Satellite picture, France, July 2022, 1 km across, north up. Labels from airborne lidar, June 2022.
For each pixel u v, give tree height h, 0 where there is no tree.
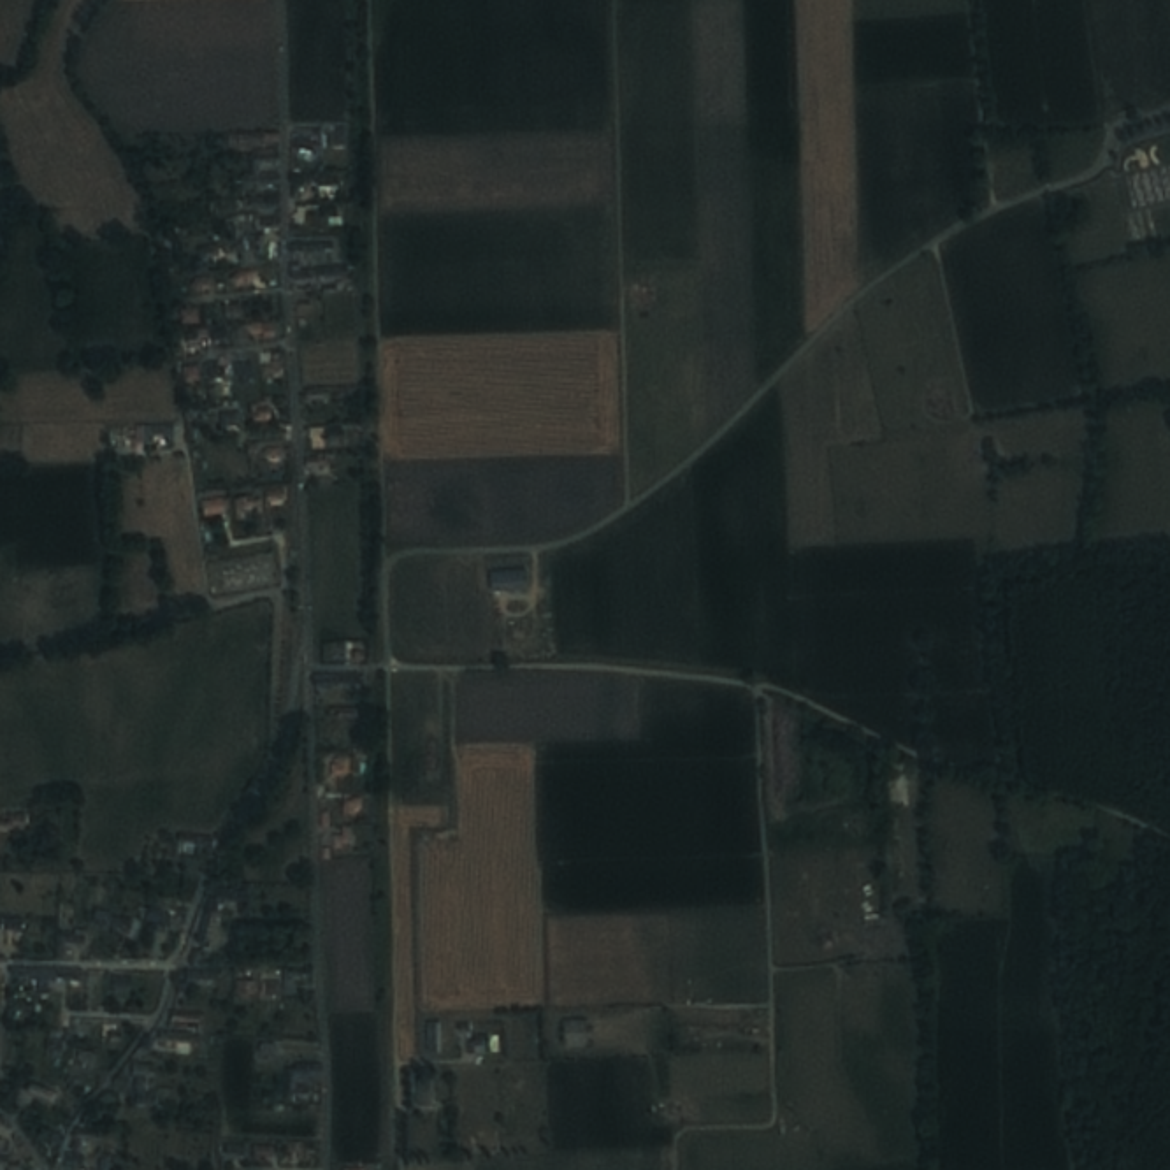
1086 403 13
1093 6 0
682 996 0
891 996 0
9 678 0
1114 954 18
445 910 0
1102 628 12
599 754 0
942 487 0
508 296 0
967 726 0
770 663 0
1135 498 0
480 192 0
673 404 0
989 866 0
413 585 0
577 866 0
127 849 0
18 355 0
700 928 0
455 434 0
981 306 0
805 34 0
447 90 0
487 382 0
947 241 0
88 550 0
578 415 0
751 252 0
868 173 0
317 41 0
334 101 0
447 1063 0
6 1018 10
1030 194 0
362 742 19
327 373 0
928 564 0
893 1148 0
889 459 0
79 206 0
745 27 0
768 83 0
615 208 0
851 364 0
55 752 0
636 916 0
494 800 0
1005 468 18
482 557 0
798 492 0
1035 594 17
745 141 0
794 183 0
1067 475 0
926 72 0
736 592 0
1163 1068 15
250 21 0
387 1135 0
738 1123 0
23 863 11
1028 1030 0
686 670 0
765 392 0
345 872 0
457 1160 8
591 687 0
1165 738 12
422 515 0
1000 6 0
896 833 0
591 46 0
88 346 0
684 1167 0
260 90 0
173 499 0
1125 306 0
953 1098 0
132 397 0
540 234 0
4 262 28
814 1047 0
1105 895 21
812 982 0
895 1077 0
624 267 0
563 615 0
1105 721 11
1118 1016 20
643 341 0
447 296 0
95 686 0
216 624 0
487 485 0
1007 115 0
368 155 14
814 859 0
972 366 0
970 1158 0
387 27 0
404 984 0
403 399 0
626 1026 0
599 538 0
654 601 0
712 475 0
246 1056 0
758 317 0
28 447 0
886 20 0
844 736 15
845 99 0
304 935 20
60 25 0
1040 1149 0
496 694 0
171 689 0
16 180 10
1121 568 14
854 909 0
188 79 0
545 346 0
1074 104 0
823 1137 0
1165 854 16
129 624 15
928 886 10
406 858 0
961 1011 0
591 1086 0
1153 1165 15
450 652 0
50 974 0
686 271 0
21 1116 6
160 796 0
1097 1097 18
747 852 0
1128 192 0
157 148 7
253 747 0
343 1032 0
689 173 0
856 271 0
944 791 0
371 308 7
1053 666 14
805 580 0
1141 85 0
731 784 0
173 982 10
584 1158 0
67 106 0
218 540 8
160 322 7
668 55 0
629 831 0
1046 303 0
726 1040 0
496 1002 0
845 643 0
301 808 0
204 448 0
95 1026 0
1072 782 14
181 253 14
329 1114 0
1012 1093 0
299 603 7
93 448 0
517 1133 0
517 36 0
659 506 0
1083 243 0
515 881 0
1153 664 16
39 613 0
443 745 0
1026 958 0
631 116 0
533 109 0
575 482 0
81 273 0
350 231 7
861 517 0
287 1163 0
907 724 0
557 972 0
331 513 0
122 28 0
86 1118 8
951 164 0
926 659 9
